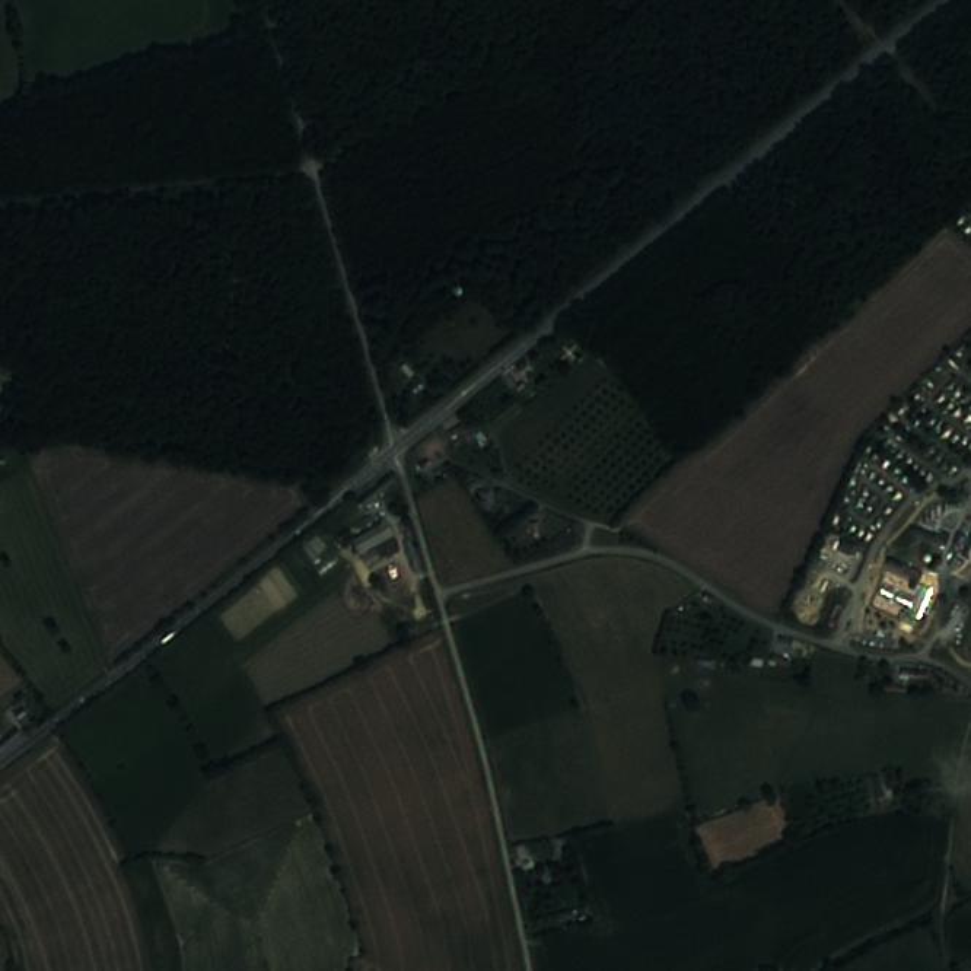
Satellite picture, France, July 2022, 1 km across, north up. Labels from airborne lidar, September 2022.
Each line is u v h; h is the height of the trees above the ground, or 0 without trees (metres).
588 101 17
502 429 0
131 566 0
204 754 12
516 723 0
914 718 0
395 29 21
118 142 17
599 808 0
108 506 0
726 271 15
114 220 24
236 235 19
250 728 0
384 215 11
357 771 0
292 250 19
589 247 26
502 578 0
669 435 13
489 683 0
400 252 12
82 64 0
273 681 0
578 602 0
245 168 15
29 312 20
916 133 22
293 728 0
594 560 0
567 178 16
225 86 21
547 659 0
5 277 21
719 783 0
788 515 0
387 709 0
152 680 12
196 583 0
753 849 0
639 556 0
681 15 22
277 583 0
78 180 21
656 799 0
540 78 20
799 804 0
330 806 0
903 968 0
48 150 19
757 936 0
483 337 0
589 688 0
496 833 0
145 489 0
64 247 22
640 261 16
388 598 0
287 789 0
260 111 17
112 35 0
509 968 0
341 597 0
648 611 0
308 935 0
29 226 22
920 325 0
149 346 17
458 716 0
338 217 12
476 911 0
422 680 0
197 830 0
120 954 0
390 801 0
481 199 11
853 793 7
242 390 15
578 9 19
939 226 11
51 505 0
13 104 14
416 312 24
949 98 19
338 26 22
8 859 0
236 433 23
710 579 0
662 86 24
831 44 19
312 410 19
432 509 0
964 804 0
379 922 0
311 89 24
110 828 7
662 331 13
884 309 0
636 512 0
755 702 0
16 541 0
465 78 19
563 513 0
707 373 15
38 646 0
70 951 0
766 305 22
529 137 13
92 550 0
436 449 0
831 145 14
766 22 19
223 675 0
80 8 0
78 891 0
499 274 22
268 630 0
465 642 0
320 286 22
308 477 23
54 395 17
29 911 0
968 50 22
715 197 13
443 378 13
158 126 16
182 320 16
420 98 16
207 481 0
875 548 0
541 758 0
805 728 0
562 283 23
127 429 22
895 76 18
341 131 21
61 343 19
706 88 24
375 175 10
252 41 18
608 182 21
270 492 0
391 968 0
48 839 0
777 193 22
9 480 0
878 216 22
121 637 0
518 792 0
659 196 22
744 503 0
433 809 0
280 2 21
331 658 0
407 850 0
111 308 21
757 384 22
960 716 0
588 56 20
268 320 19
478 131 11
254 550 0
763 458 0
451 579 0
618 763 0
